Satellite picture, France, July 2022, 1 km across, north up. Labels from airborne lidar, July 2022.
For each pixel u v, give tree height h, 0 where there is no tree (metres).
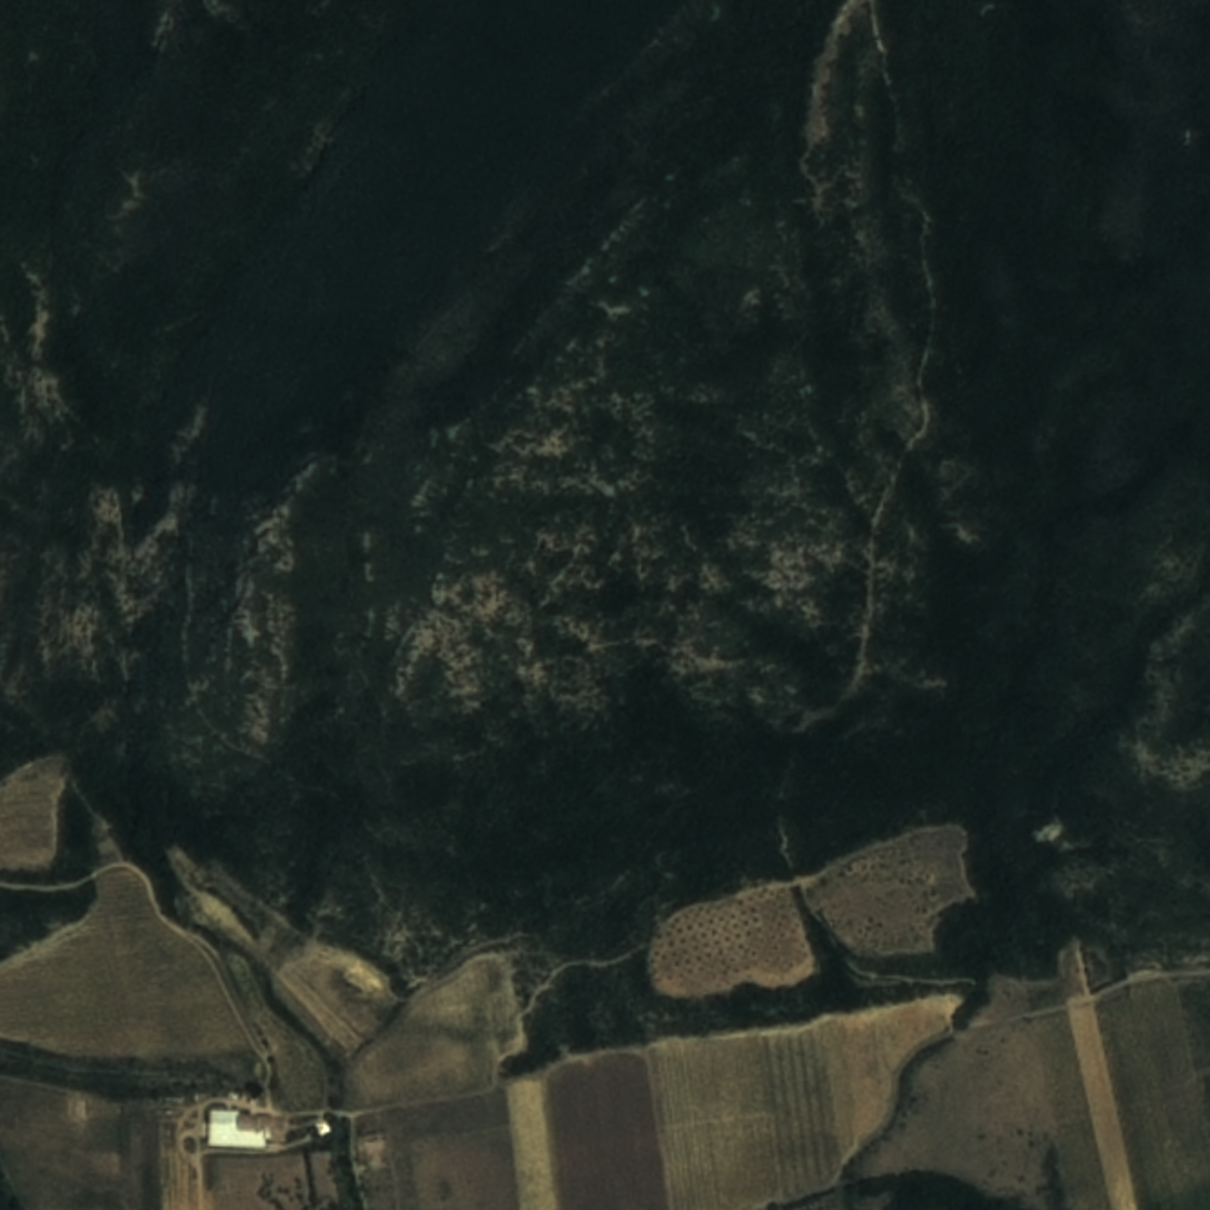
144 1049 0
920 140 7
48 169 7
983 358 5
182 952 0
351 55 6
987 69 7
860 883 0
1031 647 6
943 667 6
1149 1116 0
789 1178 0
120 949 0
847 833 6
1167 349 6
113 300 6
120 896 0
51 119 6
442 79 6
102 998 0
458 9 6
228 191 6
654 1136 0
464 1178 0
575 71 6
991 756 6
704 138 6
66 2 5
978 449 5
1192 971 0
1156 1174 0
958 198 5
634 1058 0
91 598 10
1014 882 6
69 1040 0
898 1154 0
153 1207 0
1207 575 7
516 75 5
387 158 6
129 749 7
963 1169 0
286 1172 0
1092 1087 0
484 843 7
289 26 7
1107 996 0
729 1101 0
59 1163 0
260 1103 0
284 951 0
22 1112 0
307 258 6
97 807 7
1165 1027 0
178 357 7
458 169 6
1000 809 6
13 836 0
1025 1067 0
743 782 6
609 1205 0
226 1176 0
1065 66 6
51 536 6
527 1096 0
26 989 0
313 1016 0
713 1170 0
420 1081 0
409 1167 0
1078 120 6
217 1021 0
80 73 7
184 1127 0
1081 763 6
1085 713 6
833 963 5
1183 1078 0
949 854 0
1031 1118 0
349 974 0
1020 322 5
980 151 6
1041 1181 0
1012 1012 0
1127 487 6
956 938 8
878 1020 0
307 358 6
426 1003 0
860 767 6
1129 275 7
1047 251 6
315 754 7
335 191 6
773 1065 0
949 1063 0
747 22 7
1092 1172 0
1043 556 7
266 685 0
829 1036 0
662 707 6
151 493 8
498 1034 0
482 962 0
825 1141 0
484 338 6
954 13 7
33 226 6
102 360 6
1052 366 6
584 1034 6
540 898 7
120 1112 0
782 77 6
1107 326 7
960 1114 0
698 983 0
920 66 7
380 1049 0
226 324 7
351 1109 0
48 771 0
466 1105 0
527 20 6
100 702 7
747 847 6
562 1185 0
